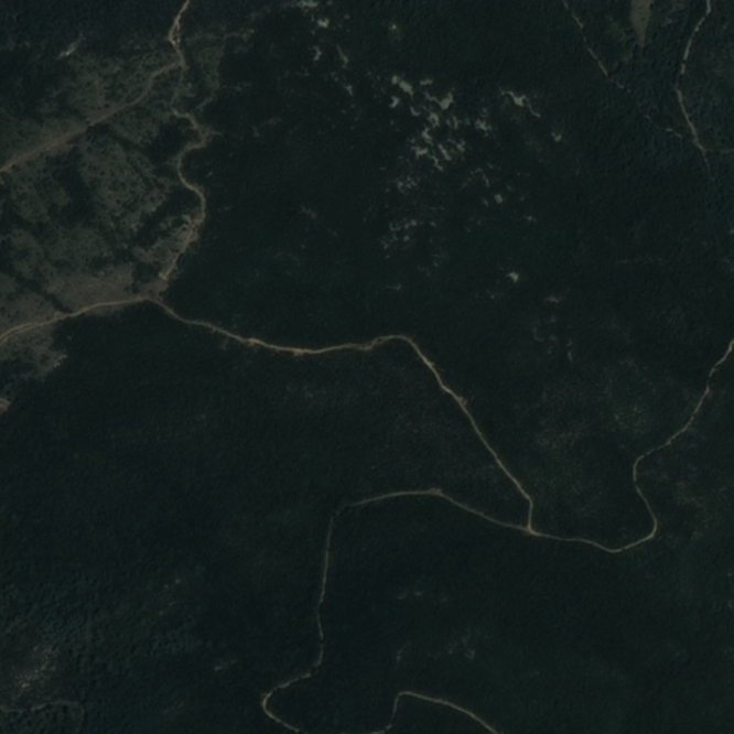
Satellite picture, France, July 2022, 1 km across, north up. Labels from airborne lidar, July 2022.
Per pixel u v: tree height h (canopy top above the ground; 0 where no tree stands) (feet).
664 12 29
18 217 22
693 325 28
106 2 26
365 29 21
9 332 0
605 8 33
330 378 22
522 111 26
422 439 18
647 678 22
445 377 20
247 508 30
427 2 43
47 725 65
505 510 23
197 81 20
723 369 20
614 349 19
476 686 27
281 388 19
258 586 29
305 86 18
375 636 18
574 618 21
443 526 20
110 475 20
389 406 24
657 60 34
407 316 22
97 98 0
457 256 18
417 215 19
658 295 32
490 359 24
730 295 25
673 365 27
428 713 24
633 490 19
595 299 25
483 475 18
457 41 21
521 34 28
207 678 22
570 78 24
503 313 18
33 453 39
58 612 31
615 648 17
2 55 19
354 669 24
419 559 18
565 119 27
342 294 22
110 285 0
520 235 21
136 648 62
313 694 22
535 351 18
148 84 0
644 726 21
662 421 19
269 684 36
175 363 19
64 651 19
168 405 21
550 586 21
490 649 23
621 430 20
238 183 21
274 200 19
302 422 20
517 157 17
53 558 32
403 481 23
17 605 58
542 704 23
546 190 19
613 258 18
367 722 20
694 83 24
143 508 29
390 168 18
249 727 18
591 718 21
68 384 19
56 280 0
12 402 24
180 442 23
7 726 21
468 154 22
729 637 22
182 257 30
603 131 28
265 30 17
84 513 25
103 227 19
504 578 21
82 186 17
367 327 21
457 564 21
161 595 22
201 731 17
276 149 17
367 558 18
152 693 26
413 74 29
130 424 18
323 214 20
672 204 30
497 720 21
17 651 21
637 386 20
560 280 20
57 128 0
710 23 29
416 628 20
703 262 22
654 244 23
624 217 22
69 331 17
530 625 19
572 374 19
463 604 18
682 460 24
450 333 22
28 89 26
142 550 31
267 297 18
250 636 20
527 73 29
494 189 19
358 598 21
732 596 18
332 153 18
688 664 30
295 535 27
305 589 19
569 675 18
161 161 18
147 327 19
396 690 18
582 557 22
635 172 51
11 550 43
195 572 25
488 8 34
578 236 27
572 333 17
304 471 31
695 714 17
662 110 37
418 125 22
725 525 27
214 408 21
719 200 32
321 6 20
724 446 20
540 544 24
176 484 26
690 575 25
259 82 17
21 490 28
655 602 34
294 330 17
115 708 29
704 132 22
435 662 17
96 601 56
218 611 21
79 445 20
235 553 18
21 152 0
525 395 20
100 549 36
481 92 25
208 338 18
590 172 35
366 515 26
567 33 26
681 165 33
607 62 34
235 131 21
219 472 23
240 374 20
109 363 17
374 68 21
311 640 41
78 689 56
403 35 24
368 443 22
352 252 18
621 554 24
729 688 23
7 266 22
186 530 19
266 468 31
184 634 40
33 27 29
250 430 30
